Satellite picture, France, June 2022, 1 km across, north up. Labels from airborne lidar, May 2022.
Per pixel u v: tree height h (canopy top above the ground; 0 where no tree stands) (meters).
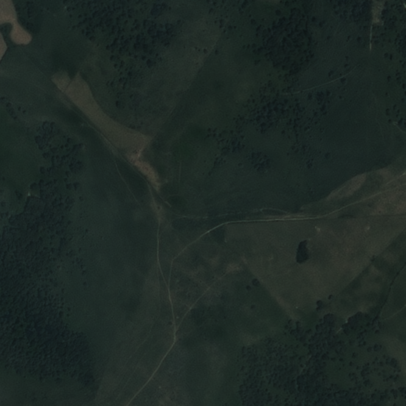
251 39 0
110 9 14
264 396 8
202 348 0
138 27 16
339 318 0
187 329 0
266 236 0
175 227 0
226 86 0
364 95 0
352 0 12
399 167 0
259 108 8
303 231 0
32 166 0
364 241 0
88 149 0
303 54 13
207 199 0
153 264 0
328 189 0
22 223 22
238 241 0
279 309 0
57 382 6
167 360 0
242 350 9
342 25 0
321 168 0
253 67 0
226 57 0
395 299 0
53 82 0
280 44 20
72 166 15
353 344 12
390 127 0
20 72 0
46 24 0
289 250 0
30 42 0
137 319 0
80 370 7
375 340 0
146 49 16
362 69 0
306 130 7
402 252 0
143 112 0
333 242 0
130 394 0
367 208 0
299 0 15
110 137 0
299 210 0
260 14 0
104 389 0
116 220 0
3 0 0
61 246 11
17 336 11
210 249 0
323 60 0
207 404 0
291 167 0
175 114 0
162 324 0
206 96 0
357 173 0
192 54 0
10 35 0
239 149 15
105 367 0
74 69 0
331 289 0
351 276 0
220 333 0
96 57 0
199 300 0
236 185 0
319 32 0
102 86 0
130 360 0
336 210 0
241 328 0
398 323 0
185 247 0
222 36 0
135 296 0
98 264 0
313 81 0
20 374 9
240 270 0
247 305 0
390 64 0
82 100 0
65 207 11
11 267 10
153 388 0
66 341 20
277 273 0
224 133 8
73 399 0
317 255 0
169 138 0
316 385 19
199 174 0
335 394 22
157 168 0
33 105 0
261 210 0
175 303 0
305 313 0
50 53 0
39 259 16
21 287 20
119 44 9
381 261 0
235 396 0
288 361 9
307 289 0
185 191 0
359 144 0
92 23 12
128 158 0
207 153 0
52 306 13
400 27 0
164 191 0
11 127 0
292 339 0
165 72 0
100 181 0
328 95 7
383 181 0
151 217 0
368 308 0
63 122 0
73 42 0
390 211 0
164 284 0
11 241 18
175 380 0
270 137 0
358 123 0
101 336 0
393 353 0
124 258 0
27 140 0
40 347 13
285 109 10
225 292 0
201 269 0
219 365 0
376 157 0
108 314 0
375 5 0
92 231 0
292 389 17
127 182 0
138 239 0
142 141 0
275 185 0
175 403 0
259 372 9
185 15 0
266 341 6
